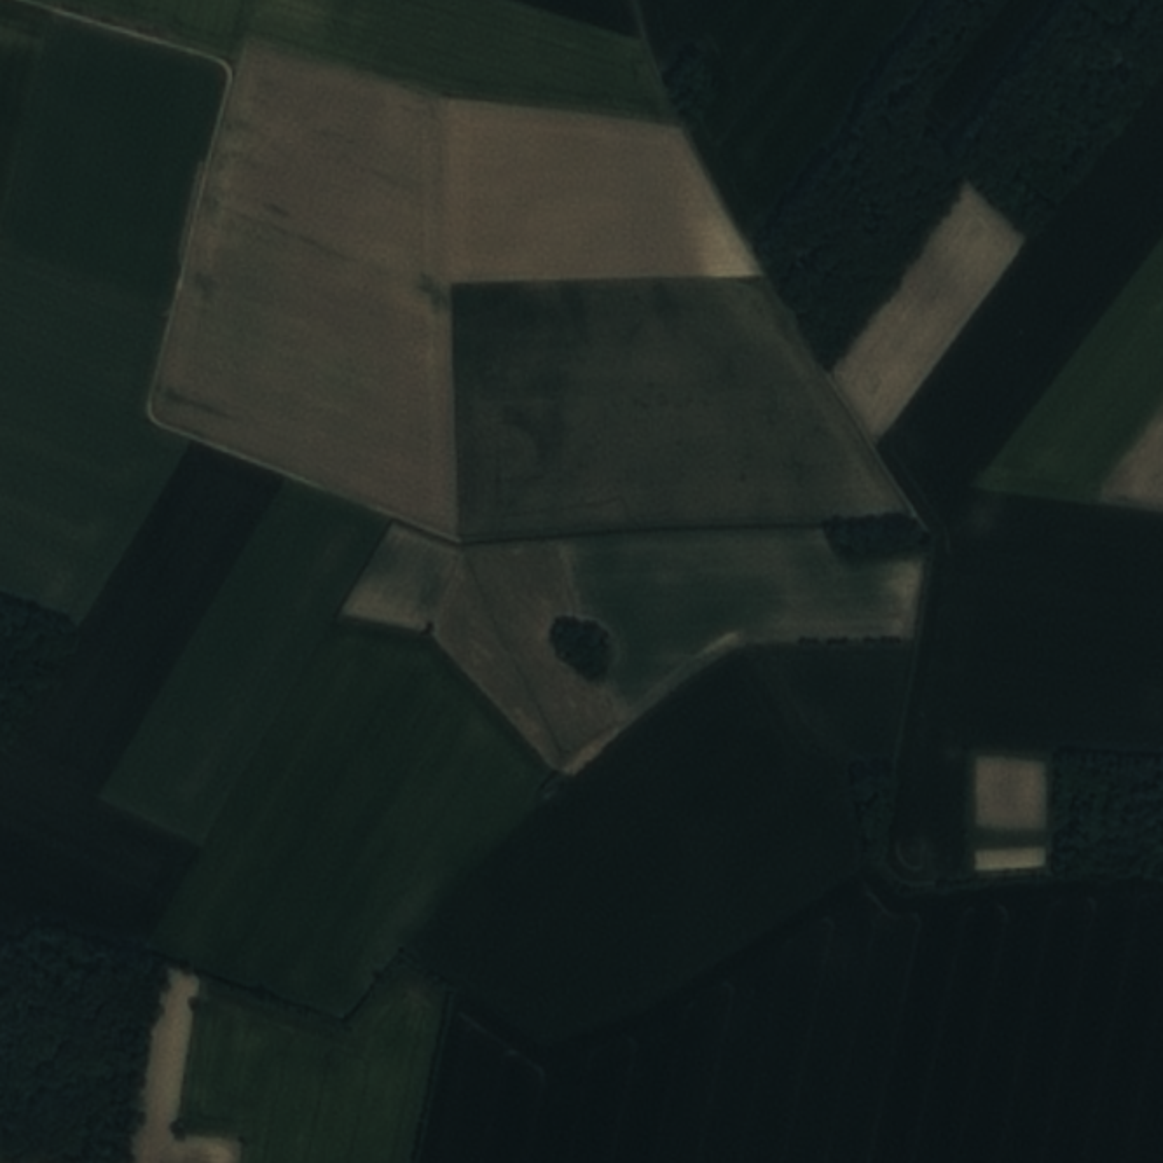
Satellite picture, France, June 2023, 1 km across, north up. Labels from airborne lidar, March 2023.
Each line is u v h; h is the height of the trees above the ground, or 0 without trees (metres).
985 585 0
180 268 0
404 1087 0
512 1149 0
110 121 0
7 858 0
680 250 0
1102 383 0
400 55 0
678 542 0
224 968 0
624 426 0
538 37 0
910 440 0
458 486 0
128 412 0
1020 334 0
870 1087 0
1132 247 0
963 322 0
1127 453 0
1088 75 18
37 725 0
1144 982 0
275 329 0
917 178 19
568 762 0
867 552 12
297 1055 0
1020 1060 0
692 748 0
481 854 0
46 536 0
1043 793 0
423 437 0
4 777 0
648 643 0
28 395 0
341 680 0
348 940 0
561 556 0
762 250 16
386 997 0
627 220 0
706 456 0
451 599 0
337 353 0
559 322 0
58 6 0
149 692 0
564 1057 0
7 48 0
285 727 0
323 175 0
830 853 0
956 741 0
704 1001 0
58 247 0
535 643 0
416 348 0
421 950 0
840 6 0
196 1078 0
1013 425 0
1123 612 0
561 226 0
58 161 0
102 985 16
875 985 0
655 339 0
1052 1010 0
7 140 0
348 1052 0
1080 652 0
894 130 21
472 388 0
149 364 0
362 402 0
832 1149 0
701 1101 0
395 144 0
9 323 0
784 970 0
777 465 0
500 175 0
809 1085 0
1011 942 0
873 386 0
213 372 0
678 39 0
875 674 0
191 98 0
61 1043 21
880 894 0
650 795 0
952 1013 0
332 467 0
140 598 0
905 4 0
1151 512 0
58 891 0
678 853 0
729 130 0
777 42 0
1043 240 0
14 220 0
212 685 0
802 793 0
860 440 0
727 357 0
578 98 0
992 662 0
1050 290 0
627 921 0
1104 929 0
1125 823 18
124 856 0
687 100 12
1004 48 0
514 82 0
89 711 0
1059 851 11
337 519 0
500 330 0
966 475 0
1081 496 0
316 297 0
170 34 0
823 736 0
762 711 0
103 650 0
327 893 0
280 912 0
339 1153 0
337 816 0
